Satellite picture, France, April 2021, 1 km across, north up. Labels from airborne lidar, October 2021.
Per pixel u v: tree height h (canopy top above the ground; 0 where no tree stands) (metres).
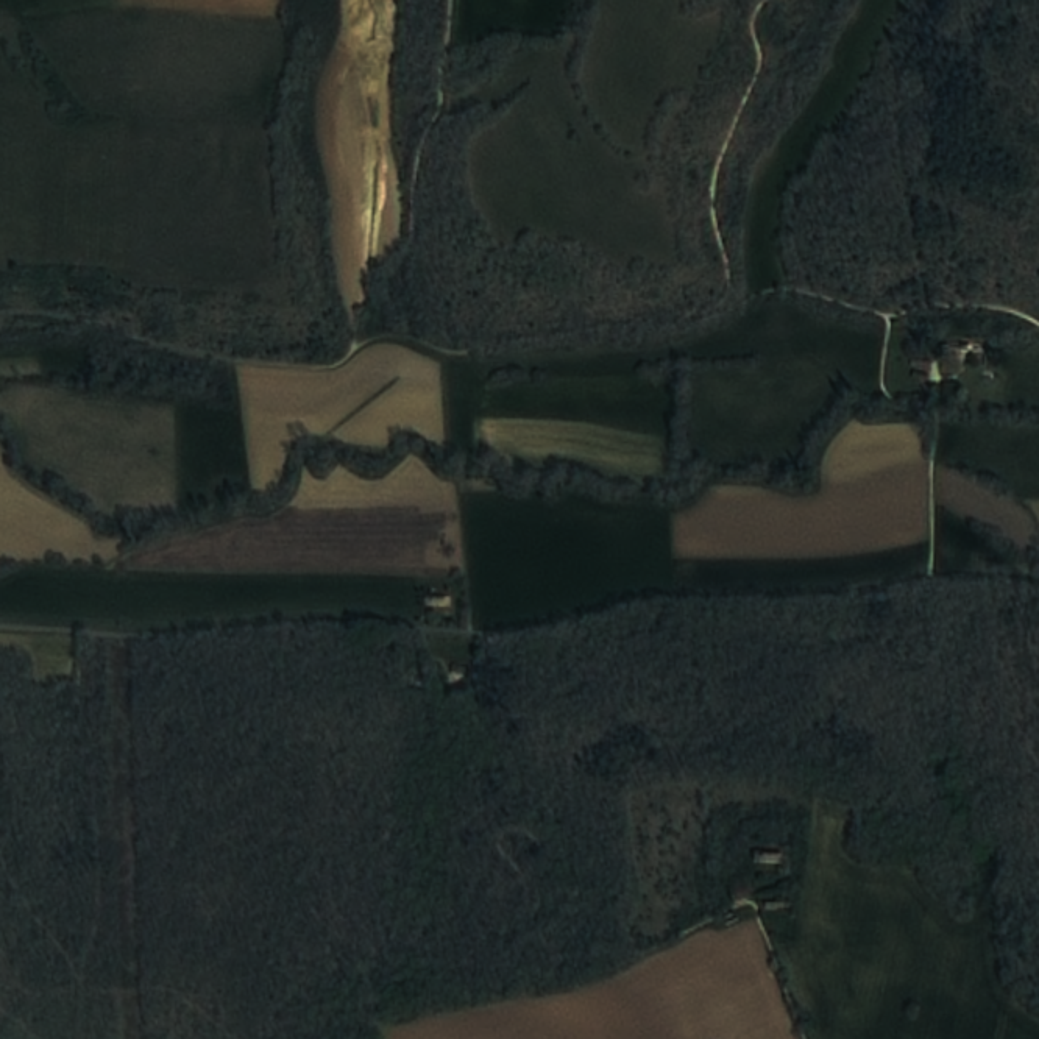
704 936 0
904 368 0
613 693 14
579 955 23
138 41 0
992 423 21
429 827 18
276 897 16
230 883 13
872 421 17
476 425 0
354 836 15
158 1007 11
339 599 0
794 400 0
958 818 26
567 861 19
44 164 0
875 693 13
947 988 0
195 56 0
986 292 11
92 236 0
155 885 10
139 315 14
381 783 16
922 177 6
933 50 10
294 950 20
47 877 15
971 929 0
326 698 14
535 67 0
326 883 19
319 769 13
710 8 11
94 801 13
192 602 0
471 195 8
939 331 18
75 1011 13
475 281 10
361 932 20
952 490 0
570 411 0
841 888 0
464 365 0
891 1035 0
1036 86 9
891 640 9
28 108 0
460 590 12
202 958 12
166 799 12
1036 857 16
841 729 16
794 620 18
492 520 0
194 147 0
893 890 0
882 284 7
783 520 0
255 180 0
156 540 31
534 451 0
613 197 0
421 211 9
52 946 14
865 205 8
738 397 0
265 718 13
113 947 13
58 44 0
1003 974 16
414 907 20
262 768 14
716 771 17
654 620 17
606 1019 0
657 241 0
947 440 0
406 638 18
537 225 0
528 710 12
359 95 0
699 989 0
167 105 0
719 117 6
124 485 0
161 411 0
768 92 17
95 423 0
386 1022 20
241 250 0
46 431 0
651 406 0
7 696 14
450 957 17
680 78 0
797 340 0
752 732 14
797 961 0
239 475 0
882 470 0
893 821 19
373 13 0
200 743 14
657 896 0
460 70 12
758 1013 0
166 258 0
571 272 10
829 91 0
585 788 13
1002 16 10
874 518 0
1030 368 0
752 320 0
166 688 16
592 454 0
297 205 7
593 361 0
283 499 19
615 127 0
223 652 17
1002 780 12
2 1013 10
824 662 13
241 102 0
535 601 0
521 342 16
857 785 17
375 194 0
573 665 16
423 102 9
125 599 0
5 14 0
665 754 9
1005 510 0
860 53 0
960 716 11
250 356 12
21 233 0
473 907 15
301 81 19
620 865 17
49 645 0
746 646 19
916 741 18
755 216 0
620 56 0
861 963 0
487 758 19
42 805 14
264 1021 15
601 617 16
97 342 10
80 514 18
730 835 6
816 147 15
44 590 0
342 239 0
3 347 8
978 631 15
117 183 0
